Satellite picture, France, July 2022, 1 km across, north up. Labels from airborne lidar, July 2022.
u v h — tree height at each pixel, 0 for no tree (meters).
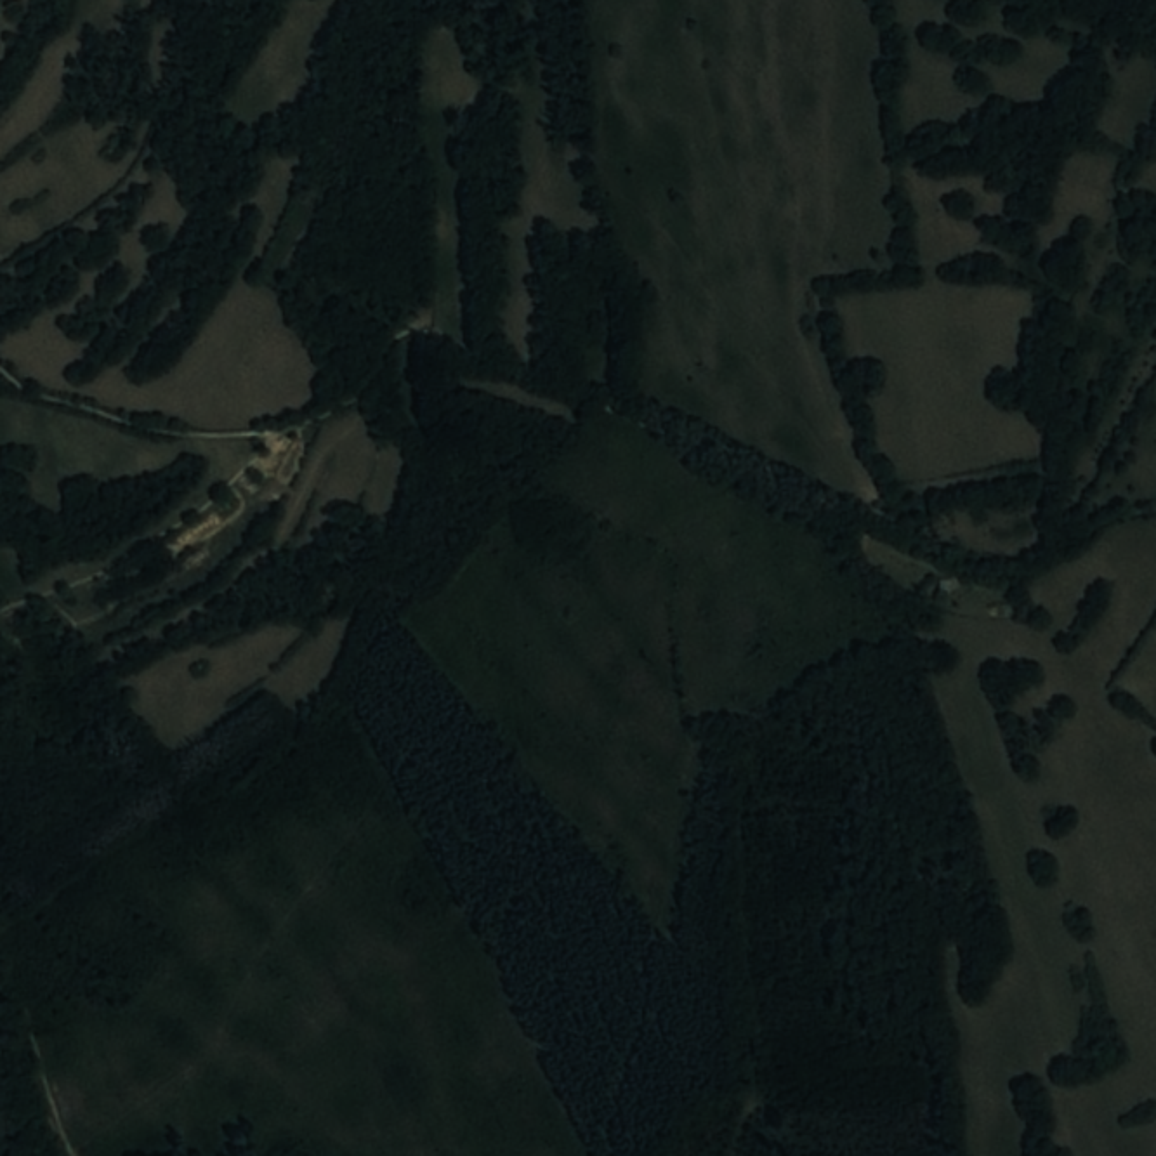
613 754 0
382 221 21
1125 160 8
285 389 0
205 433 0
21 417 0
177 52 19
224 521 0
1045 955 0
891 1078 7
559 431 19
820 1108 7
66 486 15
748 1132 11
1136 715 11
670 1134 26
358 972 0
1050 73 0
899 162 12
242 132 26
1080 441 12
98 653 6
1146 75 0
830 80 0
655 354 0
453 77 0
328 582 18
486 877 25
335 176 9
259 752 13
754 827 11
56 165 0
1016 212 15
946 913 20
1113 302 7
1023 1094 21
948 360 0
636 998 17
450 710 22
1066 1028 0
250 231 12
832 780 10
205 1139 0
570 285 26
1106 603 17
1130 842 0
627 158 0
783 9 0
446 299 0
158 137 18
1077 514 14
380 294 20
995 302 0
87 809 15
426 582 15
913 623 13
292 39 0
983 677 10
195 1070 0
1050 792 0
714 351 0
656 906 0
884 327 0
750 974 7
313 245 17
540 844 17
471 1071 0
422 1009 0
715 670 0
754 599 0
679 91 0
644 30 0
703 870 22
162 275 20
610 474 0
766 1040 15
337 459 0
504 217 22
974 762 0
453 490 21
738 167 0
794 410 0
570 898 21
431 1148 0
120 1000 7
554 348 21
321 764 7
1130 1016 0
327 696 16
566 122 22
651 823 0
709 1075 17
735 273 0
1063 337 9
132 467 0
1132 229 21
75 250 19
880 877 20
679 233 0
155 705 0
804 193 0
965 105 0
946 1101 24
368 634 18
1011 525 0
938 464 0
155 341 15
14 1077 25
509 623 0
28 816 15
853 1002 17
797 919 9
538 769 0
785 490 21
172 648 14
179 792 16
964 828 22
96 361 19
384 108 18
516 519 10
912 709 23
